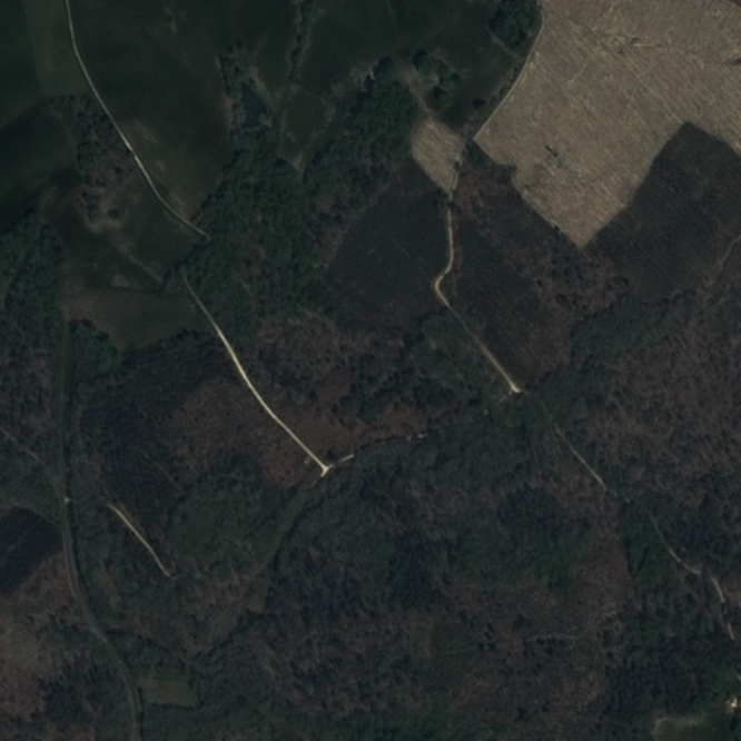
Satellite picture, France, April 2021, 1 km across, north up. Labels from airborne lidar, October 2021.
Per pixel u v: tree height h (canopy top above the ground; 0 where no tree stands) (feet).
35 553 29
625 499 49
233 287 63
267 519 50
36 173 0
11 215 0
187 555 51
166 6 0
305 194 59
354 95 0
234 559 53
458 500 61
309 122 0
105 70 0
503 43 80
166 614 69
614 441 40
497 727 22
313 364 31
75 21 0
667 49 0
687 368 25
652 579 73
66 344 64
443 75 65
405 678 32
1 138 0
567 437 50
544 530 69
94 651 52
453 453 57
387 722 56
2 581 28
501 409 50
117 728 62
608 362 58
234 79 64
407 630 31
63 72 0
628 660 38
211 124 0
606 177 0
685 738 0
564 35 0
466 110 0
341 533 59
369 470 62
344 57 0
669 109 0
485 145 0
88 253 0
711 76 0
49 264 76
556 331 0
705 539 96
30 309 67
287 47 0
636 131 0
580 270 22
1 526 26
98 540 68
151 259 0
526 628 60
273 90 0
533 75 0
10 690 32
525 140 0
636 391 47
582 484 29
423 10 0
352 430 38
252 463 30
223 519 68
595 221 0
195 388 32
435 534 65
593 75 0
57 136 0
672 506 71
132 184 0
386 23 0
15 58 0
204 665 24
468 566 56
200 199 0
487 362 39
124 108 0
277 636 73
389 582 39
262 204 68
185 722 60
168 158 0
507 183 45
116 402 30
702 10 0
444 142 0
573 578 24
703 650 0
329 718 53
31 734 35
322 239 77
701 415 22
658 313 40
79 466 70
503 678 26
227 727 82
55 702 81
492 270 20
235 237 32
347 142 30
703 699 33
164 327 0
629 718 44
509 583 31
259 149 37
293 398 43
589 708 19
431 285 0
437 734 60
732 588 45
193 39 0
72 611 49
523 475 54
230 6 0
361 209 61
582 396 69
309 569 26
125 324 0
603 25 0
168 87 0
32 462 56
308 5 31
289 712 51
